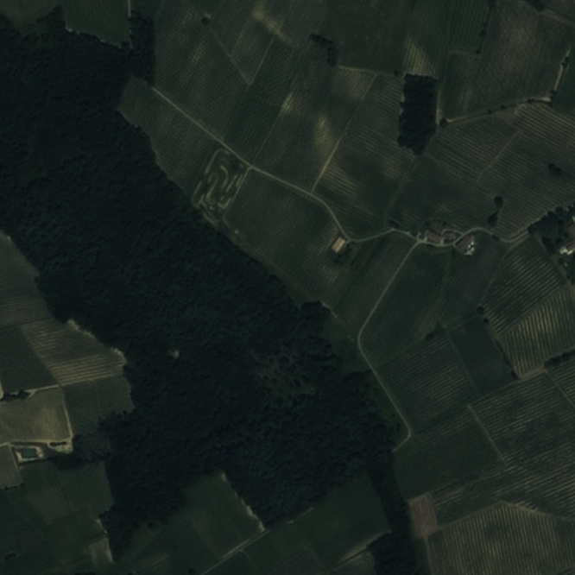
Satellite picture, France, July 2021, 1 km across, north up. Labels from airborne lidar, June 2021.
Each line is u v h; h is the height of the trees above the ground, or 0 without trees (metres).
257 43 0
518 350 0
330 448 14
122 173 17
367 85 0
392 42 0
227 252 20
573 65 0
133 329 24
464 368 0
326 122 0
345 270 0
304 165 0
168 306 21
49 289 13
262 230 0
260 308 16
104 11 0
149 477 25
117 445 23
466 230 0
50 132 8
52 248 23
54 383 0
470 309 0
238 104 0
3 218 9
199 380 22
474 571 0
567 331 0
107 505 0
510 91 0
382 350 0
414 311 0
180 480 23
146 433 21
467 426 0
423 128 18
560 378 0
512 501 0
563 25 0
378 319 0
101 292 23
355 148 0
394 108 0
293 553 0
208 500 0
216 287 27
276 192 0
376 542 11
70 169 15
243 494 22
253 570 0
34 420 0
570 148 0
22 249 15
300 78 0
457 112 0
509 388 0
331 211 0
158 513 15
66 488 0
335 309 0
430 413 0
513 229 0
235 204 0
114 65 22
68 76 15
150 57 17
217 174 0
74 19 0
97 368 0
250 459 25
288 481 19
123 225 24
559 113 0
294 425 21
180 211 20
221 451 16
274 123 0
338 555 0
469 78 0
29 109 20
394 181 0
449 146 0
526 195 0
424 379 0
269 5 0
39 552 0
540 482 0
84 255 27
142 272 25
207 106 0
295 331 24
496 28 0
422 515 0
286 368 15
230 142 0
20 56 17
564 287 0
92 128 22
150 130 0
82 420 0
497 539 0
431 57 0
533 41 0
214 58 0
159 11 0
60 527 0
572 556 0
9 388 0
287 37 0
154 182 25
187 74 0
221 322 17
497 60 0
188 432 26
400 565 22
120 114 22
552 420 0
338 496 0
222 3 0
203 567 0
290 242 0
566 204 0
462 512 0
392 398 0
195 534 0
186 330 12
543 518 0
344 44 0
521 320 0
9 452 0
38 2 0
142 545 0
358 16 0
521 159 0
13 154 16
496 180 0
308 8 0
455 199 0
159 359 23
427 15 0
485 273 0
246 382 21
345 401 21
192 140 0
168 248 17
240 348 25
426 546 0
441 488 0
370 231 0
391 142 0
